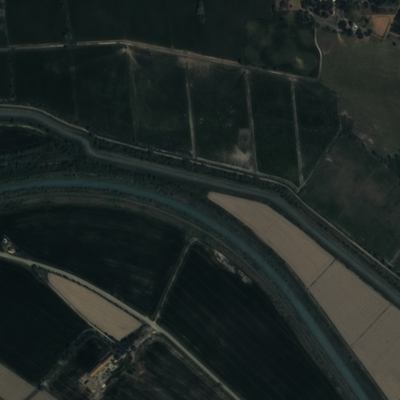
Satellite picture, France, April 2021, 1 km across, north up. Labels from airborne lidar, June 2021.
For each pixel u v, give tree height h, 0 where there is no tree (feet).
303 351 0
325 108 0
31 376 0
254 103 0
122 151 28
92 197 0
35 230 0
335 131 0
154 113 0
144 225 0
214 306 0
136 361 0
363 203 0
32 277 0
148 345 0
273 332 0
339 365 0
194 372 0
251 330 0
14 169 34
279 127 0
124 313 0
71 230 0
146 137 0
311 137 0
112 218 0
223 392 0
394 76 0
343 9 21
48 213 0
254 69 0
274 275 0
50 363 0
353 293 0
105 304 0
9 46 0
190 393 0
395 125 0
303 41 0
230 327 0
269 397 0
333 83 0
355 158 0
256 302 0
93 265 0
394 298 0
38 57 0
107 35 0
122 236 0
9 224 0
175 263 0
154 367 0
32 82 0
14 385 0
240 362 0
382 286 0
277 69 27
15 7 0
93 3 0
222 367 0
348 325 0
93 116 0
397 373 0
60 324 0
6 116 0
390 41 0
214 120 0
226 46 0
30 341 0
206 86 0
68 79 0
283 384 0
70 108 0
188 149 0
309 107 0
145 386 0
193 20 0
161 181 32
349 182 0
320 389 0
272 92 0
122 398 0
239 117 0
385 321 0
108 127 0
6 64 0
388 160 35
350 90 0
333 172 0
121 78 0
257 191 0
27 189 25
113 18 0
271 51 0
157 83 0
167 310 0
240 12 0
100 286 0
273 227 0
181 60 0
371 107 0
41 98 0
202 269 0
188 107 0
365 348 0
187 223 0
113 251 0
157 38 0
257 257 0
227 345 0
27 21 0
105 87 0
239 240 0
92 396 0
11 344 0
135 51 0
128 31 0
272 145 0
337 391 0
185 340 0
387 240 0
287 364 0
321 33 0
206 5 0
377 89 0
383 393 0
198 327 0
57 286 0
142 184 21
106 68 0
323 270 0
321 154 0
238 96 0
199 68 0
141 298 0
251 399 0
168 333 0
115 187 0
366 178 0
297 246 0
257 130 0
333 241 0
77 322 0
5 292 0
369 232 0
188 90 0
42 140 0
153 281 0
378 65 0
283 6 23
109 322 0
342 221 0
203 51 0
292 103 0
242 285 0
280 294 0
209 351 0
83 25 0
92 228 0
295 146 0
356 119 0
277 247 0
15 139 0
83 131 0
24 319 0
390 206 0
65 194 0
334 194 0
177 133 0
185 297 0
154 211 0
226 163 0
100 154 0
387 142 0
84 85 0
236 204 0
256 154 0
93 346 0
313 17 24
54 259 0
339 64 0
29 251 0
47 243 0
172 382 0
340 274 0
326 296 0
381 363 0
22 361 0
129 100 0
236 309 0
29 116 0
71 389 0
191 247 0
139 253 0
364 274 0
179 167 0
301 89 0
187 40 0
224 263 0
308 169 0
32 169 31
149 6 0
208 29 0
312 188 0
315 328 0
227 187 0
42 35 0
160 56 0
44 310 0
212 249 0
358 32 26
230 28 0
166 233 0
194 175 0
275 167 0
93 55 0
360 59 0
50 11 0
